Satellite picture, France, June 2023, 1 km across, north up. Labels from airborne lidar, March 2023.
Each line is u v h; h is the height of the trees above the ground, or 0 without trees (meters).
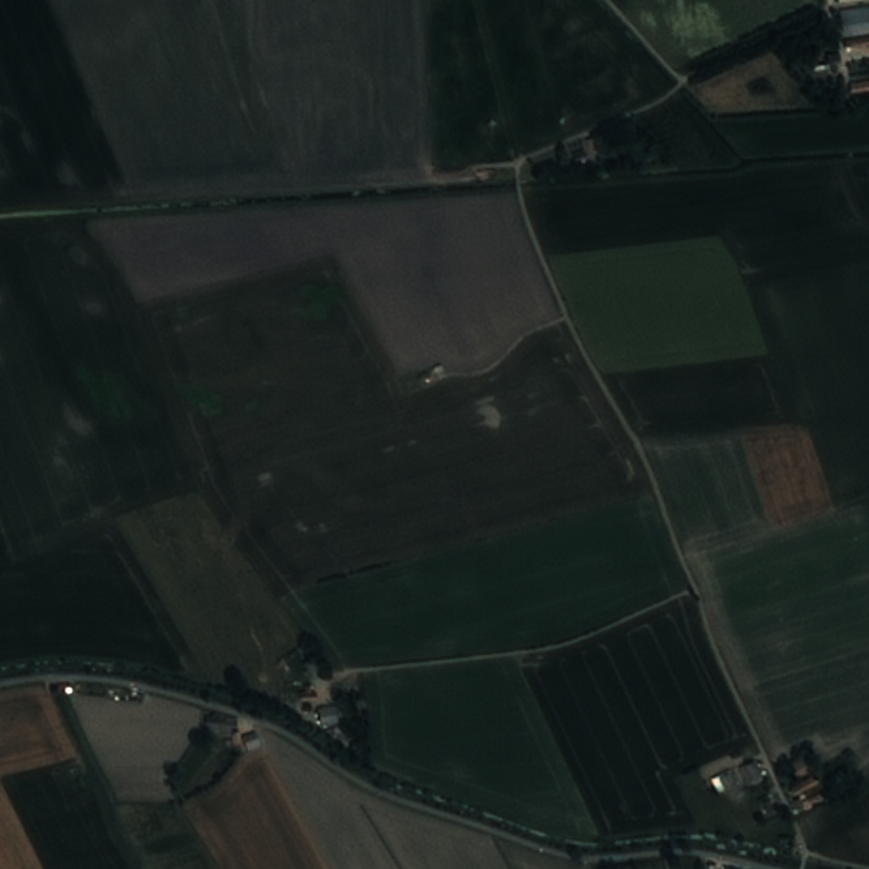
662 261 0
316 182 0
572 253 0
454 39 0
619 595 0
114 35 0
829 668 0
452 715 0
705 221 0
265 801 0
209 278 0
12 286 0
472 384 0
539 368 0
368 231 0
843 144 0
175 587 0
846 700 0
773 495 0
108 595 0
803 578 0
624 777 0
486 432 0
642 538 0
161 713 0
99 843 0
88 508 0
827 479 0
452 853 0
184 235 0
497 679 0
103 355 0
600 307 0
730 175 0
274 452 0
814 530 0
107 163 0
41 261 0
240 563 0
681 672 0
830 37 19
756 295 0
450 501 0
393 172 0
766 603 0
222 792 0
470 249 0
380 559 0
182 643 0
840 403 0
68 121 0
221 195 0
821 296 0
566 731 0
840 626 0
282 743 0
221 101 0
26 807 0
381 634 0
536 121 0
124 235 0
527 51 0
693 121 0
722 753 0
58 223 0
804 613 0
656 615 0
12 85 0
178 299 0
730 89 0
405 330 0
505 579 0
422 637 0
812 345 0
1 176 0
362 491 0
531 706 0
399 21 0
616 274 0
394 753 0
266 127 0
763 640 0
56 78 0
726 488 0
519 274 0
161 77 0
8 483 0
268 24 0
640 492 0
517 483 0
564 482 0
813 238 0
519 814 0
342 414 0
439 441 0
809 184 0
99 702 0
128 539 0
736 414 0
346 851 0
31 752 0
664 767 0
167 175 0
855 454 0
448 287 0
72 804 0
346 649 0
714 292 0
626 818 0
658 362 0
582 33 0
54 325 0
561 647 0
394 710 0
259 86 0
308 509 0
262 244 0
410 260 0
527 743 0
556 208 0
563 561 0
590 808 0
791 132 0
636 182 0
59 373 0
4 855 0
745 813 0
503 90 0
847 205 0
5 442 0
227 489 0
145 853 0
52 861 0
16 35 0
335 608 0
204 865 0
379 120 0
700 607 0
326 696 0
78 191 0
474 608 0
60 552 0
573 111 0
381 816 0
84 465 0
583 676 0
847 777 21
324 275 0
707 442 0
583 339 0
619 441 0
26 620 0
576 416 0
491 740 0
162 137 0
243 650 0
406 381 0
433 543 0
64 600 0
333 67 0
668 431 0
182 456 0
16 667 0
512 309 0
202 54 0
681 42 0
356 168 0
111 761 0
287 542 0
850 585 0
